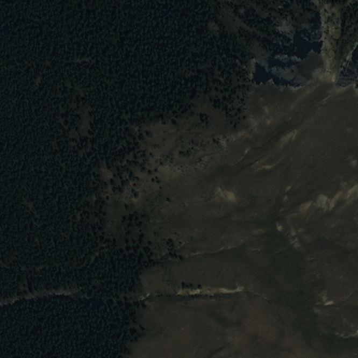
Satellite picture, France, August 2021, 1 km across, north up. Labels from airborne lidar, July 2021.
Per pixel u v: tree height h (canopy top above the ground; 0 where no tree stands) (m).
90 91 16
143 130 0
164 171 0
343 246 0
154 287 0
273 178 0
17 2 19
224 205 0
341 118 0
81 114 0
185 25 17
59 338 21
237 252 0
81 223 7
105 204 19
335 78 0
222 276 0
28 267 14
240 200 0
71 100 13
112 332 20
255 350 0
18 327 18
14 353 13
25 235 17
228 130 0
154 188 0
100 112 14
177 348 0
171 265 0
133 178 13
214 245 0
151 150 0
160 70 14
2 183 15
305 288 0
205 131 0
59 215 14
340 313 0
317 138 0
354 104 0
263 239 0
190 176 0
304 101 0
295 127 0
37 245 20
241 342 0
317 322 0
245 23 12
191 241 0
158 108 7
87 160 18
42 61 9
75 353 18
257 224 0
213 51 15
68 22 18
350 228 0
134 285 18
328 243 0
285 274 0
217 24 14
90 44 20
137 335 18
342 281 0
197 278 0
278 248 0
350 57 0
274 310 0
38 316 21
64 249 18
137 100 17
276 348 0
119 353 17
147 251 16
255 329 0
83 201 20
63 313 9
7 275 19
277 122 0
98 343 16
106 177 0
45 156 20
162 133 0
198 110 0
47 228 21
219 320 0
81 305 8
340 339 0
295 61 0
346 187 0
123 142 15
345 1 12
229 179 0
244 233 0
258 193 0
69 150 18
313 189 0
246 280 0
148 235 0
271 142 0
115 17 17
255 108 0
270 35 12
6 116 14
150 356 0
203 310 0
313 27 0
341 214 0
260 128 0
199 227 0
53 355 19
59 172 16
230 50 13
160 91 16
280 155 0
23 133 9
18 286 13
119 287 21
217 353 0
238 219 0
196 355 0
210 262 0
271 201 0
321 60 0
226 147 0
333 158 0
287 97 0
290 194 0
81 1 16
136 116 12
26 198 17
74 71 15
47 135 16
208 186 0
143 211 0
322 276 0
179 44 16
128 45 13
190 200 0
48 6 12
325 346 0
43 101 15
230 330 0
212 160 0
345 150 0
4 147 22
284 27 0
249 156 0
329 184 0
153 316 0
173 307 0
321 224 0
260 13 0
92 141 0
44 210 16
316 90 0
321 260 0
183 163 0
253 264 0
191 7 13
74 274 19
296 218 0
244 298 0
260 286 0
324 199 0
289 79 0
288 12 8
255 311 0
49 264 15
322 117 0
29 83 11
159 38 13
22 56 17
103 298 18
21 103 9
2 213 25
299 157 0
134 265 19
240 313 0
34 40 17
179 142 0
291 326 0
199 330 0
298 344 0
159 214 0
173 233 0
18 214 21
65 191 13
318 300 0
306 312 0
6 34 17
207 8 21
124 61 11
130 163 14
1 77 12
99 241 19
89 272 14
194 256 0
